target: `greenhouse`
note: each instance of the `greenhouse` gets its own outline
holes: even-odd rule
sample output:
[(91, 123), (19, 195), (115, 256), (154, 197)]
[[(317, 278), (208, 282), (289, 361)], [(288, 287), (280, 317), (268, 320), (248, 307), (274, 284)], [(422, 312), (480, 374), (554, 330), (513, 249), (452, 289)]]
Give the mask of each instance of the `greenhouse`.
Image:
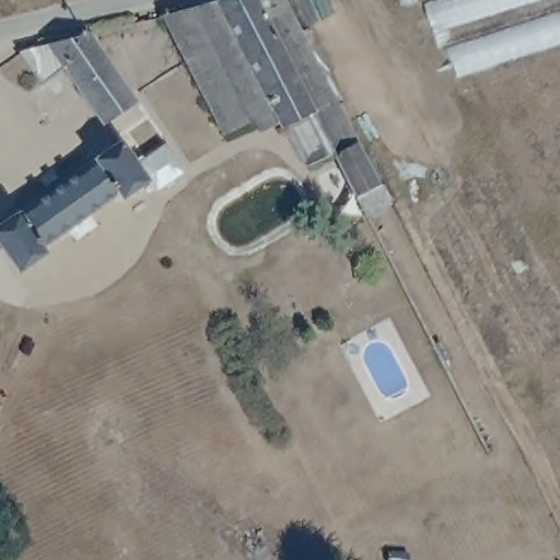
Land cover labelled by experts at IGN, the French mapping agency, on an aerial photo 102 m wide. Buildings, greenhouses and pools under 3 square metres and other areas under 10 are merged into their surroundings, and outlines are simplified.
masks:
[(466, 77), (499, 66), (503, 61), (512, 61), (532, 53), (560, 46), (560, 13), (475, 42), (459, 44), (448, 55), (451, 63), (438, 68), (440, 72), (455, 70), (457, 77)]
[(446, 44), (446, 39), (451, 37), (451, 28), (455, 26), (540, 0), (438, 0), (427, 4), (427, 18), (433, 28), (438, 46)]

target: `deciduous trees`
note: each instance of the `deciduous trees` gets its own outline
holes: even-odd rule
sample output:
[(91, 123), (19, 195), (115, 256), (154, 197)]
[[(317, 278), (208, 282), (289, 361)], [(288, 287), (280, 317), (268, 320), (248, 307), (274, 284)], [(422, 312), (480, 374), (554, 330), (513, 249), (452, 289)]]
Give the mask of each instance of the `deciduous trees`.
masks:
[(267, 361), (269, 370), (287, 370), (291, 361), (300, 359), (298, 339), (311, 339), (311, 333), (306, 330), (300, 335), (293, 326), (291, 315), (280, 315), (278, 306), (267, 302), (267, 293), (260, 293), (254, 282), (247, 282), (238, 289), (238, 293), (245, 295), (245, 300), (252, 306), (249, 326), (241, 328), (238, 317), (232, 311), (219, 308), (210, 313), (206, 335), (221, 361), (221, 370), (228, 376), (228, 385), (238, 398), (249, 424), (263, 433), (263, 438), (271, 446), (284, 448), (291, 438), (287, 420), (282, 413), (276, 411), (269, 396), (265, 394), (256, 363)]
[(387, 269), (387, 263), (381, 263), (381, 254), (372, 245), (368, 245), (352, 249), (348, 258), (352, 276), (357, 280), (363, 280), (368, 284), (376, 282)]
[(18, 83), (24, 90), (33, 90), (37, 77), (31, 70), (22, 70), (18, 74)]
[(15, 560), (31, 545), (31, 532), (20, 503), (13, 494), (7, 492), (7, 488), (0, 481), (0, 560)]

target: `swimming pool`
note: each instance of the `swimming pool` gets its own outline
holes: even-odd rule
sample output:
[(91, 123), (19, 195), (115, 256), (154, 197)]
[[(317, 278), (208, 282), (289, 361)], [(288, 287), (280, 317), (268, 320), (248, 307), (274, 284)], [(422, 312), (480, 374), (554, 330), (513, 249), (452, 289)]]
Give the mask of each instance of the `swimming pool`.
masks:
[(365, 363), (378, 389), (385, 396), (396, 396), (405, 389), (405, 376), (396, 365), (392, 352), (383, 343), (378, 343), (368, 348)]

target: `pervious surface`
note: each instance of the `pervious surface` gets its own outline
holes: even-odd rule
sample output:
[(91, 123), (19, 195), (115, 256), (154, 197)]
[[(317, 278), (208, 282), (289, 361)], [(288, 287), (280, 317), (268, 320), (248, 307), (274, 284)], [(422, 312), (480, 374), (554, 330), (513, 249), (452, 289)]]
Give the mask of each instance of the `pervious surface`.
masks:
[(13, 63), (20, 57), (20, 53), (0, 37), (0, 70)]
[(9, 228), (11, 221), (24, 219), (26, 212), (42, 203), (44, 197), (55, 195), (57, 188), (66, 186), (72, 177), (85, 175), (94, 166), (96, 158), (103, 158), (105, 151), (116, 147), (120, 140), (127, 147), (133, 147), (140, 144), (133, 140), (133, 129), (138, 129), (144, 123), (151, 125), (158, 138), (162, 138), (162, 144), (171, 151), (166, 166), (182, 168), (182, 177), (177, 177), (173, 184), (160, 188), (158, 193), (140, 188), (129, 197), (114, 197), (109, 203), (90, 214), (96, 223), (92, 232), (77, 238), (68, 230), (48, 245), (44, 258), (39, 258), (24, 271), (18, 269), (13, 260), (7, 256), (7, 252), (0, 247), (0, 302), (22, 308), (46, 311), (53, 304), (74, 302), (109, 287), (144, 252), (151, 232), (155, 230), (164, 212), (166, 199), (173, 197), (173, 193), (177, 193), (179, 188), (184, 188), (190, 177), (234, 158), (241, 151), (245, 151), (254, 160), (260, 160), (265, 149), (273, 151), (282, 160), (287, 160), (284, 168), (287, 175), (282, 179), (298, 184), (298, 193), (304, 201), (319, 199), (322, 190), (315, 184), (315, 179), (319, 177), (322, 168), (317, 162), (300, 162), (291, 151), (289, 138), (284, 138), (280, 131), (258, 131), (252, 131), (232, 142), (223, 140), (214, 151), (201, 155), (199, 160), (186, 162), (173, 133), (158, 120), (158, 116), (147, 105), (144, 94), (140, 90), (131, 92), (136, 105), (123, 112), (114, 120), (114, 125), (101, 125), (96, 118), (92, 118), (92, 107), (88, 105), (85, 96), (72, 88), (70, 77), (66, 74), (68, 70), (61, 63), (50, 74), (37, 77), (33, 90), (24, 90), (18, 83), (4, 79), (4, 74), (0, 72), (0, 232)]

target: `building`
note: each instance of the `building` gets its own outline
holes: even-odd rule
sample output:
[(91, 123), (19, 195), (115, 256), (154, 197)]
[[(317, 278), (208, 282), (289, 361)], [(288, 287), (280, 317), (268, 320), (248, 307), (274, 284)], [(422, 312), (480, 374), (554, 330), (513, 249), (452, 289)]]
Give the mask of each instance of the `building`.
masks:
[(335, 164), (343, 173), (343, 186), (354, 195), (359, 217), (378, 217), (392, 206), (392, 197), (385, 190), (385, 186), (378, 186), (378, 177), (374, 175), (372, 164), (368, 162), (361, 147), (357, 144), (357, 138), (350, 138), (346, 114), (341, 109), (346, 101), (335, 98), (326, 83), (324, 70), (315, 63), (311, 53), (306, 53), (304, 31), (287, 0), (212, 0), (193, 9), (158, 15), (155, 22), (166, 33), (171, 44), (175, 42), (175, 44), (177, 44), (177, 48), (179, 48), (179, 53), (182, 53), (182, 55), (186, 57), (186, 61), (188, 61), (188, 66), (190, 66), (190, 72), (193, 72), (193, 77), (195, 77), (195, 81), (197, 81), (197, 83), (193, 83), (193, 85), (199, 109), (206, 112), (208, 120), (219, 127), (234, 129), (245, 125), (245, 120), (256, 120), (260, 127), (258, 131), (280, 131), (284, 138), (289, 138), (291, 151), (300, 162), (317, 162), (322, 168), (324, 164)]
[(112, 66), (112, 61), (101, 50), (101, 46), (92, 37), (92, 28), (85, 28), (77, 37), (26, 48), (22, 53), (31, 70), (37, 77), (50, 74), (61, 63), (68, 70), (66, 74), (70, 77), (72, 88), (85, 96), (88, 105), (92, 107), (92, 118), (96, 118), (101, 125), (114, 125), (114, 120), (123, 112), (136, 105), (131, 92)]
[(160, 188), (173, 184), (177, 177), (182, 177), (182, 168), (166, 166), (171, 151), (162, 144), (149, 155), (138, 155), (133, 147), (127, 147), (120, 140), (116, 147), (105, 151), (103, 158), (96, 158), (94, 166), (85, 175), (72, 177), (66, 186), (57, 188), (55, 195), (44, 197), (42, 203), (26, 212), (24, 219), (11, 221), (9, 228), (0, 232), (0, 247), (7, 252), (7, 256), (13, 260), (18, 269), (24, 271), (39, 258), (44, 258), (48, 245), (68, 230), (77, 238), (92, 232), (96, 223), (90, 214), (109, 203), (114, 197), (129, 197), (140, 188), (158, 193)]

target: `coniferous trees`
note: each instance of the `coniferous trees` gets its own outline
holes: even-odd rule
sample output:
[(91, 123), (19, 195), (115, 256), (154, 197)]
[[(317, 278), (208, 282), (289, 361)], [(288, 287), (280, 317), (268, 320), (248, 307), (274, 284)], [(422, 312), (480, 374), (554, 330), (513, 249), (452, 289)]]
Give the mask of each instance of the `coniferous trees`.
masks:
[(357, 560), (352, 556), (343, 556), (335, 545), (322, 549), (319, 545), (311, 545), (300, 551), (298, 560)]
[(333, 206), (319, 199), (304, 201), (298, 203), (295, 212), (287, 221), (293, 223), (295, 232), (306, 232), (311, 238), (322, 236), (339, 256), (348, 258), (352, 249), (368, 245), (357, 230), (354, 217), (343, 214), (343, 210), (333, 210)]

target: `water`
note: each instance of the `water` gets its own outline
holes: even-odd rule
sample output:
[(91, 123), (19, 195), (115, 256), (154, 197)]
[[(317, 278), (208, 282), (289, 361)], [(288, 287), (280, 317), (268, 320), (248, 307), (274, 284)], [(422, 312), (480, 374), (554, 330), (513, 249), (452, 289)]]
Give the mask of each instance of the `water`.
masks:
[(238, 197), (221, 210), (217, 221), (219, 234), (234, 247), (247, 247), (280, 225), (287, 221), (295, 212), (298, 203), (304, 201), (298, 193), (298, 184), (282, 179), (269, 179), (249, 190), (247, 195)]

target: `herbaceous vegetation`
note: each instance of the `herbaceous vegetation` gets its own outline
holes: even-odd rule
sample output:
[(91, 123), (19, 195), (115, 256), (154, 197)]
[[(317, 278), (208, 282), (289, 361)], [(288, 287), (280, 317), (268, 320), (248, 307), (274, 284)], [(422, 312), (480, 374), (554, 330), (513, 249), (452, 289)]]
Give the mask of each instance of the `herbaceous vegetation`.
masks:
[(162, 138), (158, 138), (151, 125), (144, 123), (138, 129), (133, 129), (133, 140), (140, 144), (133, 147), (138, 155), (149, 155), (162, 144)]
[(188, 81), (188, 77), (186, 77), (186, 72), (184, 72), (184, 68), (179, 68), (179, 63), (177, 63), (177, 55), (173, 53), (171, 44), (166, 33), (155, 22), (140, 22), (136, 26), (133, 37), (105, 37), (101, 46), (101, 50), (112, 61), (112, 66), (131, 92), (140, 90), (144, 94), (147, 105), (158, 116), (158, 120), (173, 133), (186, 162), (199, 160), (201, 155), (214, 151), (223, 140), (219, 127), (208, 120), (206, 112), (199, 109), (193, 85), (190, 85), (190, 81)]
[(20, 57), (13, 63), (0, 70), (0, 72), (4, 74), (4, 79), (18, 83), (18, 74), (22, 70), (31, 70), (22, 53), (20, 53)]
[(0, 0), (0, 18), (37, 11), (44, 7), (61, 4), (66, 0)]
[[(322, 549), (335, 545), (343, 556), (352, 556), (357, 560), (560, 560), (560, 46), (532, 53), (512, 61), (503, 61), (499, 66), (466, 77), (457, 77), (455, 70), (440, 72), (438, 68), (451, 63), (448, 55), (459, 44), (475, 42), (560, 13), (560, 0), (540, 0), (455, 26), (451, 28), (451, 37), (446, 39), (446, 44), (438, 46), (433, 28), (427, 18), (427, 4), (438, 0), (330, 0), (330, 15), (326, 20), (319, 20), (313, 28), (304, 31), (306, 53), (311, 53), (315, 63), (324, 70), (326, 83), (335, 98), (346, 101), (341, 109), (346, 114), (350, 138), (357, 138), (357, 144), (361, 147), (368, 162), (372, 164), (374, 175), (378, 177), (378, 186), (385, 186), (385, 190), (392, 197), (392, 206), (378, 217), (359, 217), (354, 217), (357, 230), (368, 245), (372, 245), (381, 254), (381, 263), (387, 263), (387, 269), (376, 282), (368, 284), (363, 280), (357, 280), (352, 276), (348, 258), (339, 256), (322, 236), (311, 238), (306, 232), (295, 232), (293, 223), (287, 221), (280, 225), (287, 234), (265, 249), (260, 265), (245, 269), (243, 260), (225, 263), (228, 254), (221, 252), (221, 247), (210, 238), (206, 221), (212, 203), (238, 184), (252, 179), (254, 175), (267, 168), (284, 168), (287, 160), (282, 160), (273, 151), (265, 149), (260, 160), (254, 160), (245, 151), (241, 151), (234, 158), (190, 177), (184, 188), (179, 188), (177, 193), (173, 193), (173, 197), (166, 199), (164, 212), (155, 230), (151, 232), (144, 252), (109, 287), (74, 302), (53, 304), (46, 311), (22, 308), (0, 302), (0, 481), (7, 488), (7, 492), (13, 494), (20, 503), (31, 532), (31, 545), (15, 560), (298, 560), (300, 551), (311, 545), (319, 545)], [(291, 438), (284, 448), (271, 446), (263, 438), (263, 433), (249, 424), (238, 398), (228, 385), (228, 376), (221, 370), (221, 361), (206, 335), (210, 313), (219, 308), (232, 311), (238, 317), (241, 328), (249, 326), (252, 306), (245, 300), (245, 295), (238, 293), (238, 289), (247, 282), (254, 282), (260, 293), (267, 293), (267, 302), (278, 306), (280, 315), (291, 315), (293, 326), (300, 335), (306, 330), (311, 333), (311, 339), (298, 339), (300, 359), (291, 361), (287, 370), (269, 370), (267, 361), (256, 363), (265, 394), (269, 396), (276, 411), (282, 413), (287, 420)], [(350, 361), (343, 354), (343, 348), (352, 337), (361, 333), (374, 337), (376, 324), (385, 319), (394, 324), (409, 359), (413, 361), (429, 392), (424, 400), (407, 407), (405, 411), (392, 418), (374, 413), (361, 383), (357, 381), (350, 368)]]

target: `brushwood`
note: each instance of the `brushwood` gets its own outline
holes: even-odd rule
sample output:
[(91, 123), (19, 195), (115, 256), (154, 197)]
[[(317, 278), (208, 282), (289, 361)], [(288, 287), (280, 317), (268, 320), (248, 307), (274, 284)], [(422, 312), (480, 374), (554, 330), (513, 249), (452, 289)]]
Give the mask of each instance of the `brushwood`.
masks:
[(252, 131), (258, 131), (260, 127), (256, 120), (245, 120), (245, 125), (234, 129), (219, 127), (223, 140), (232, 142)]
[(173, 53), (177, 55), (177, 63), (179, 63), (179, 68), (184, 68), (184, 72), (186, 72), (186, 77), (188, 77), (188, 81), (190, 81), (190, 85), (193, 85), (193, 83), (197, 83), (197, 81), (195, 81), (195, 77), (193, 77), (193, 72), (190, 72), (190, 66), (188, 66), (188, 61), (186, 61), (186, 57), (182, 55), (182, 53), (179, 53), (179, 48), (177, 48), (177, 44), (175, 44), (175, 42), (171, 44)]
[(92, 28), (92, 37), (101, 46), (105, 37), (133, 37), (136, 26), (140, 22), (118, 18), (112, 22), (94, 24)]

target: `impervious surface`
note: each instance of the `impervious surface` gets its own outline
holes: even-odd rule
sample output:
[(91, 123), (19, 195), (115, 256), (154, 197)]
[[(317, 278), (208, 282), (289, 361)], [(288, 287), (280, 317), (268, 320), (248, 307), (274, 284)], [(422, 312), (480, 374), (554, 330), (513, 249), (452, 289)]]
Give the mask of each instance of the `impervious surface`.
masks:
[[(405, 376), (405, 389), (396, 396), (385, 396), (378, 389), (365, 363), (368, 348), (378, 343), (383, 343), (392, 352), (396, 365)], [(407, 407), (424, 400), (429, 392), (413, 361), (409, 359), (394, 324), (385, 319), (376, 324), (374, 337), (361, 333), (352, 337), (343, 348), (343, 354), (350, 361), (350, 368), (357, 381), (361, 383), (374, 413), (392, 418), (405, 411)]]
[(221, 210), (238, 197), (247, 195), (249, 190), (269, 179), (282, 179), (287, 175), (284, 168), (267, 168), (254, 175), (252, 179), (238, 184), (212, 203), (206, 221), (210, 238), (221, 247), (221, 252), (228, 254), (225, 263), (243, 260), (245, 269), (260, 265), (265, 249), (287, 234), (280, 225), (247, 247), (234, 247), (219, 234), (217, 221)]
[(22, 53), (26, 48), (77, 37), (85, 28), (92, 28), (94, 24), (112, 22), (118, 18), (140, 22), (155, 22), (158, 15), (193, 9), (212, 0), (66, 0), (61, 4), (44, 7), (37, 11), (0, 18), (0, 37), (20, 53)]
[(354, 195), (343, 186), (343, 173), (335, 164), (324, 164), (322, 168), (319, 177), (315, 179), (315, 184), (322, 190), (319, 199), (333, 206), (333, 210), (343, 210), (343, 214), (354, 217), (359, 217)]
[(304, 31), (313, 28), (319, 20), (326, 20), (330, 15), (330, 0), (287, 0)]

